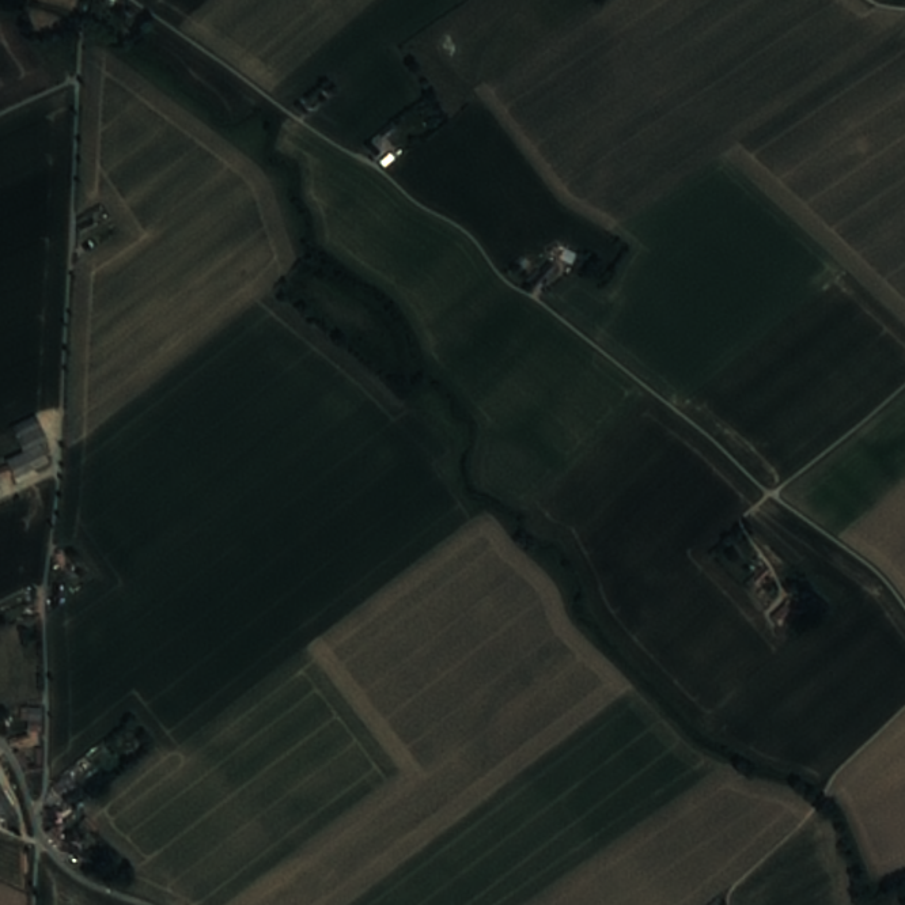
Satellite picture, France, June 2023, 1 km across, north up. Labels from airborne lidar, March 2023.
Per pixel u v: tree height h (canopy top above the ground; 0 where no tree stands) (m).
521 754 0
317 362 0
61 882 0
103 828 0
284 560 0
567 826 0
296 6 0
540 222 0
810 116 0
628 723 0
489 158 0
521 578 0
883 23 0
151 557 0
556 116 0
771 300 0
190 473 0
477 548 0
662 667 0
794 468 0
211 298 0
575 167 0
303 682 0
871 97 0
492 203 0
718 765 0
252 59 0
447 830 0
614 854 0
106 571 0
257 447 0
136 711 0
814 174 0
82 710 0
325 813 0
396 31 0
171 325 0
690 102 0
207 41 0
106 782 12
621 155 0
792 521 0
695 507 0
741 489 0
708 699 0
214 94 0
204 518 0
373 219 0
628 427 0
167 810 0
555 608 0
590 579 0
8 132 0
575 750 0
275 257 0
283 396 0
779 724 0
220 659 0
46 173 0
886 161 0
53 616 0
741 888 0
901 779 0
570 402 0
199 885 0
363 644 0
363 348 0
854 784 0
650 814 0
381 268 0
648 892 0
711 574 0
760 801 0
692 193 0
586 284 0
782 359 0
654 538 0
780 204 0
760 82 0
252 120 0
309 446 0
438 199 0
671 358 0
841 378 0
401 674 0
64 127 0
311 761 0
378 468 0
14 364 0
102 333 0
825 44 0
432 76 0
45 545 0
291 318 0
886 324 0
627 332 0
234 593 0
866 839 0
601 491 0
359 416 0
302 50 0
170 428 0
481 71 0
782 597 0
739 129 0
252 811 0
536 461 0
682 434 0
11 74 0
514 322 0
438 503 0
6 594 0
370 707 0
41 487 0
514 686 0
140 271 0
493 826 0
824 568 0
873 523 0
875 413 0
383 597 0
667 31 0
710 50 0
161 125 0
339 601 0
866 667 0
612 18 0
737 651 0
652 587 0
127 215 0
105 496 0
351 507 0
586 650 0
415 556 0
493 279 0
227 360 0
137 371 0
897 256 0
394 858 0
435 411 0
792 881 0
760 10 0
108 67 0
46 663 0
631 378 0
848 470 0
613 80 0
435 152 0
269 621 0
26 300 0
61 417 0
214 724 0
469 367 0
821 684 0
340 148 0
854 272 0
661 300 0
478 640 0
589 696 0
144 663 0
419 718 0
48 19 0
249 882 0
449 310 0
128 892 0
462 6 0
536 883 0
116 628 0
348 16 0
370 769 0
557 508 0
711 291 0
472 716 0
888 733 0
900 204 0
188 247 0
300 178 0
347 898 0
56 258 0
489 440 0
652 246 0
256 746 0
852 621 0
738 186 0
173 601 0
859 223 0
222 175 0
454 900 0
